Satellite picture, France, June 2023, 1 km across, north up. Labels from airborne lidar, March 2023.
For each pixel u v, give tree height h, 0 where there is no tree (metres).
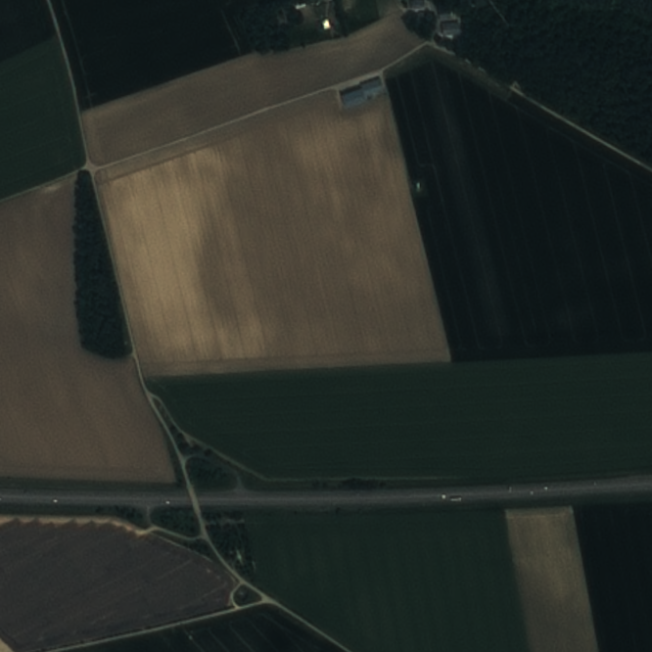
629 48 17
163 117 0
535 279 0
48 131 0
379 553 0
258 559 0
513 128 0
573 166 0
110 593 0
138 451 0
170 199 0
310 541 0
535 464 0
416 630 0
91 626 0
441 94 0
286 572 0
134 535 0
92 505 0
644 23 11
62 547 0
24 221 0
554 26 14
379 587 0
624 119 23
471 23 15
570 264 0
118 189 0
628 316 0
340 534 0
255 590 0
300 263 0
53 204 0
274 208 0
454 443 0
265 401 0
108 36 0
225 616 0
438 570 0
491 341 0
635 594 0
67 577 0
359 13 0
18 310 0
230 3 0
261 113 0
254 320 0
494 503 0
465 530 0
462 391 0
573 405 0
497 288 0
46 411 0
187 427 0
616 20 15
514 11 15
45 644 0
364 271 0
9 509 0
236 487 0
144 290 0
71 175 0
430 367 0
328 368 0
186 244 0
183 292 0
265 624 0
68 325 0
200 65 0
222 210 0
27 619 0
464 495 0
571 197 0
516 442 0
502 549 0
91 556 0
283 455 0
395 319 0
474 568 0
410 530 0
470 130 0
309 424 0
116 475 0
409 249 0
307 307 0
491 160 0
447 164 0
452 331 0
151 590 0
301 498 0
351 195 0
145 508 0
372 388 0
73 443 0
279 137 0
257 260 0
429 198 0
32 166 0
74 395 0
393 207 0
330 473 0
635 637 0
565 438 0
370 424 0
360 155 0
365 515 0
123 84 0
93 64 0
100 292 13
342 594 0
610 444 0
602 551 0
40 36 0
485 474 0
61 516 0
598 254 0
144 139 0
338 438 0
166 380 0
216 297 0
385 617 0
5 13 0
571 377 0
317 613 0
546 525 0
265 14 14
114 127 0
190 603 0
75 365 0
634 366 0
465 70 0
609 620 0
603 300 0
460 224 0
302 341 0
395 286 0
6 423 0
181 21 0
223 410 0
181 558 0
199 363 0
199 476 8
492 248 0
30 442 0
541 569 0
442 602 0
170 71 0
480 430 0
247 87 0
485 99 0
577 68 24
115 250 0
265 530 0
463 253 0
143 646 0
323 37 0
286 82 0
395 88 0
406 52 0
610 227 0
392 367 0
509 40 18
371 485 6
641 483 0
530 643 0
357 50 0
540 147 0
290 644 0
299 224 0
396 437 0
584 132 0
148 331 0
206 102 0
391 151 0
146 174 0
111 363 0
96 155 0
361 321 0
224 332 0
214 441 0
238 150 0
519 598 0
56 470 0
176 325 0
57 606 0
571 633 0
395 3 0
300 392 0
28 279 0
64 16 0
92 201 6
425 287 0
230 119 0
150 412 0
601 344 0
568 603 0
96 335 12
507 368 0
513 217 0
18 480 0
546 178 0
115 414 0
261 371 0
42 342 0
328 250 0
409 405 0
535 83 18
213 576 0
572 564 0
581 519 0
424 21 17
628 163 0
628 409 0
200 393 0
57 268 0
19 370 0
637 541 0
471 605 0
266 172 0
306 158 0
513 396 0
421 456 0
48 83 0
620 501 0
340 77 0
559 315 0
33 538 0
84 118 0
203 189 0
